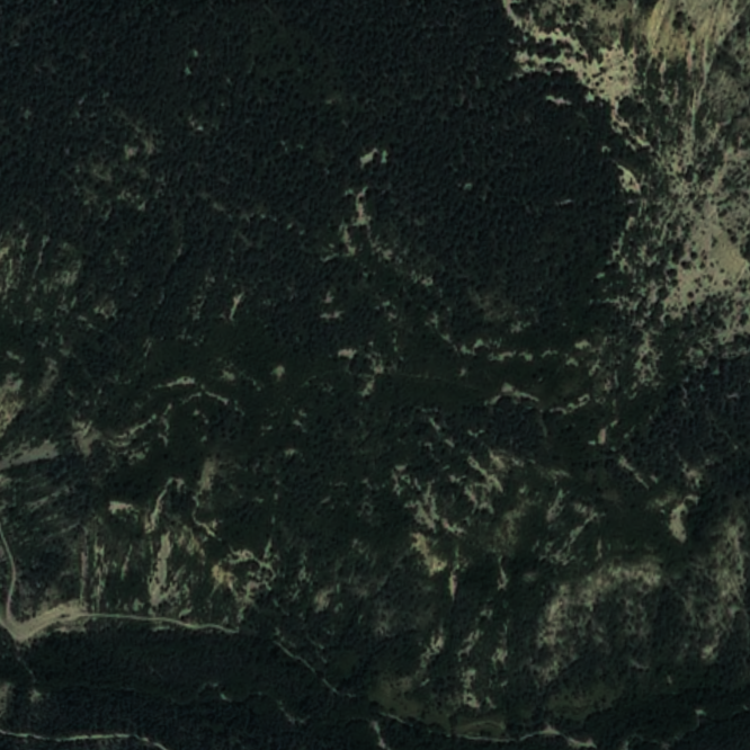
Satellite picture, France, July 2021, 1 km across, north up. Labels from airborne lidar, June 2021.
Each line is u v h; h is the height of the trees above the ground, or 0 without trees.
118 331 7
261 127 15
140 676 11
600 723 8
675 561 9
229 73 14
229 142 9
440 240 12
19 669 14
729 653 10
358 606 7
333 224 11
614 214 13
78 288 8
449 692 7
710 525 7
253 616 9
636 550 7
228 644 10
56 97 11
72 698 17
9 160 16
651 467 7
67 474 8
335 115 7
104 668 11
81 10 14
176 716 17
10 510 8
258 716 22
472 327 7
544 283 11
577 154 15
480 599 7
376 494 10
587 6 0
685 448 12
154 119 11
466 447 9
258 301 7
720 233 0
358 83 12
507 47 11
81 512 5
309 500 9
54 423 10
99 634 10
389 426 7
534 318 7
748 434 12
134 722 11
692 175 7
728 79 0
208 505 0
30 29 13
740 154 0
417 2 10
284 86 11
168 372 10
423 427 9
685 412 8
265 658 8
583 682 5
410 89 11
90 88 13
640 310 7
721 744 14
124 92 8
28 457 0
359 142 11
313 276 12
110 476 8
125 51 19
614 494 0
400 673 9
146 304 12
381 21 14
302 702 10
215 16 15
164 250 12
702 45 0
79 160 6
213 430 6
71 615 0
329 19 18
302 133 11
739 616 7
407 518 7
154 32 14
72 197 13
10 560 0
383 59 11
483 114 12
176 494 10
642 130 7
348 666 0
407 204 7
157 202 7
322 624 10
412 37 10
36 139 14
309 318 10
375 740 13
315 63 13
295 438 8
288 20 12
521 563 8
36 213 10
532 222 14
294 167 9
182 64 15
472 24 13
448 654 8
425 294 10
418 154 11
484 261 13
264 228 12
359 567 7
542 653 9
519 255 13
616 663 6
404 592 10
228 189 8
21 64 15
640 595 8
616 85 0
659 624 12
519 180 14
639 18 0
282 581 7
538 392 0
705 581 6
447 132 11
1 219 10
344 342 8
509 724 6
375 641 12
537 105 10
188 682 11
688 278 0
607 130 8
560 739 12
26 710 8
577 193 12
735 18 0
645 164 8
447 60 11
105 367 9
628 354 9
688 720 13
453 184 15
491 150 14
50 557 12
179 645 14
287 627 11
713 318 7
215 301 7
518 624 7
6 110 9
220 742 12
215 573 0
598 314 10
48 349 6
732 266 0
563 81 14
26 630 0
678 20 8
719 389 14
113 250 8
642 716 11
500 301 6
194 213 9
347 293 8
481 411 12
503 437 10
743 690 11
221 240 11
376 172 10
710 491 8
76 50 7
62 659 13
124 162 7
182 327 7
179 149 9
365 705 15
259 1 9
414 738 15
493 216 17
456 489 12
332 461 6
